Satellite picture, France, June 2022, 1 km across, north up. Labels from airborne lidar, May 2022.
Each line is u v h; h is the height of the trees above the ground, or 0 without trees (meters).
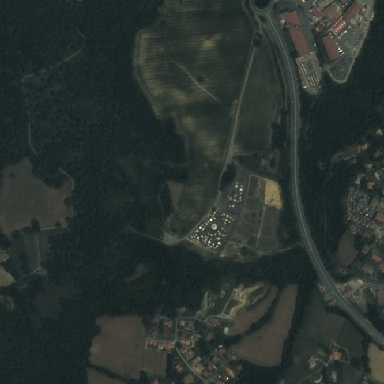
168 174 14
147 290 0
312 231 9
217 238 0
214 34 0
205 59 0
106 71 20
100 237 21
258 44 19
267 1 18
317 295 0
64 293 0
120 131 8
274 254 0
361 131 11
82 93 18
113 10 22
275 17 0
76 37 22
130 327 0
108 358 0
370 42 20
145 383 19
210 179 0
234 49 0
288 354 17
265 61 0
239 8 0
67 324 13
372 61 24
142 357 0
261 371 17
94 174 18
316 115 19
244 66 0
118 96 18
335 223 8
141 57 0
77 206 11
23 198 0
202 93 0
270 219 0
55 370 18
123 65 20
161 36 0
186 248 0
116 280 16
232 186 0
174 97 0
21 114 19
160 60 0
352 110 20
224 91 0
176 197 0
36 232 13
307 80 0
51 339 10
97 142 11
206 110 0
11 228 0
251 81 0
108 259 0
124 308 17
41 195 0
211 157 0
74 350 25
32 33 24
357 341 0
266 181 0
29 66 0
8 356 0
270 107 0
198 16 0
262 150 0
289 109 8
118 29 14
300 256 19
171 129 12
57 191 0
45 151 17
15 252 0
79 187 18
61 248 10
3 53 18
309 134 19
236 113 0
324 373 16
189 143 0
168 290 14
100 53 14
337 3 0
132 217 14
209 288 0
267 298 0
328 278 0
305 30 0
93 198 21
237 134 0
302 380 0
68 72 16
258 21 0
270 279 11
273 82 0
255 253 0
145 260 14
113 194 0
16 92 18
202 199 0
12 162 16
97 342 0
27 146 0
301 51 0
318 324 0
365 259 7
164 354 0
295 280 8
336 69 0
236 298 0
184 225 0
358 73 25
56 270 19
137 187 7
